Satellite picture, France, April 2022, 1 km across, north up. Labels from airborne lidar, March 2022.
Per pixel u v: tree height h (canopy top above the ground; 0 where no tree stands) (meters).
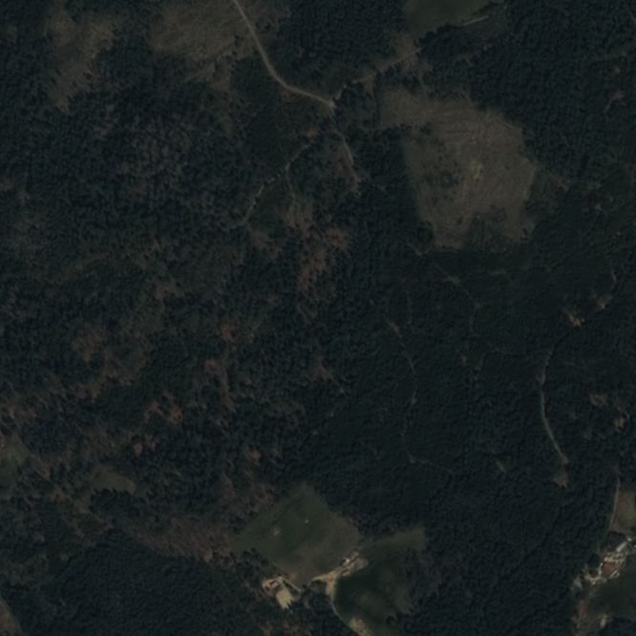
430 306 13
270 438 15
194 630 18
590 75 6
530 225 0
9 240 19
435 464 6
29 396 28
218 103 22
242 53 0
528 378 9
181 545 17
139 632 20
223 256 17
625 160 7
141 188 33
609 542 11
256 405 20
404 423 6
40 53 22
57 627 22
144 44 19
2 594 18
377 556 0
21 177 26
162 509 16
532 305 11
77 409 27
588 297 14
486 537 16
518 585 24
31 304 23
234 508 16
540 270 9
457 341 6
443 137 0
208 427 13
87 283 8
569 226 8
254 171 9
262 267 9
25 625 20
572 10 20
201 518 13
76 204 6
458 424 15
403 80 18
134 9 19
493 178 0
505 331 13
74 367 23
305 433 13
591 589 14
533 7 14
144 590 15
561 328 13
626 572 0
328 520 0
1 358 28
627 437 22
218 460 26
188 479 28
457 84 22
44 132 22
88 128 22
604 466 20
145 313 22
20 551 13
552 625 32
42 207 23
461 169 0
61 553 10
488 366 8
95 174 19
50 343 19
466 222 0
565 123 24
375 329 8
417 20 0
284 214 0
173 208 21
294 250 7
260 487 14
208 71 0
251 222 9
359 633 0
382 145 27
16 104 21
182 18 0
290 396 18
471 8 0
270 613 7
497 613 29
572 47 29
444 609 25
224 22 0
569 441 20
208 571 18
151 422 7
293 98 9
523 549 22
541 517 22
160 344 6
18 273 7
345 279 10
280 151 6
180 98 9
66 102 0
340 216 9
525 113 22
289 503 0
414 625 25
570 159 23
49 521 14
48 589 16
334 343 20
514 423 11
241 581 6
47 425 22
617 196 8
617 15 27
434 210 0
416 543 0
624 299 20
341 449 9
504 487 25
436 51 19
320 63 31
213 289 21
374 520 21
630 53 11
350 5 22
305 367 32
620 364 10
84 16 17
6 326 25
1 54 17
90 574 21
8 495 17
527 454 21
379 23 24
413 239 23
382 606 0
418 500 6
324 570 0
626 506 0
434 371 12
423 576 27
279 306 12
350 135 8
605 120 7
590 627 0
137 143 29
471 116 0
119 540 21
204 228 29
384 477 6
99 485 0
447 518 15
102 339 17
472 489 18
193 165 20
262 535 0
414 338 7
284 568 0
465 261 8
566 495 14
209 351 6
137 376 16
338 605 8
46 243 20
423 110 0
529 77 21
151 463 29
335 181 9
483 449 21
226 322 17
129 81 26
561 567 27
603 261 9
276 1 22
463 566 21
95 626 19
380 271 21
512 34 9
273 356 14
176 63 8
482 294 8
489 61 27
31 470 22
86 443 23
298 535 0
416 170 0
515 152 0
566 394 20
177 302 6
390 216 14
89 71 0
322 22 23
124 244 17
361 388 9
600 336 20
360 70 18
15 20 25
